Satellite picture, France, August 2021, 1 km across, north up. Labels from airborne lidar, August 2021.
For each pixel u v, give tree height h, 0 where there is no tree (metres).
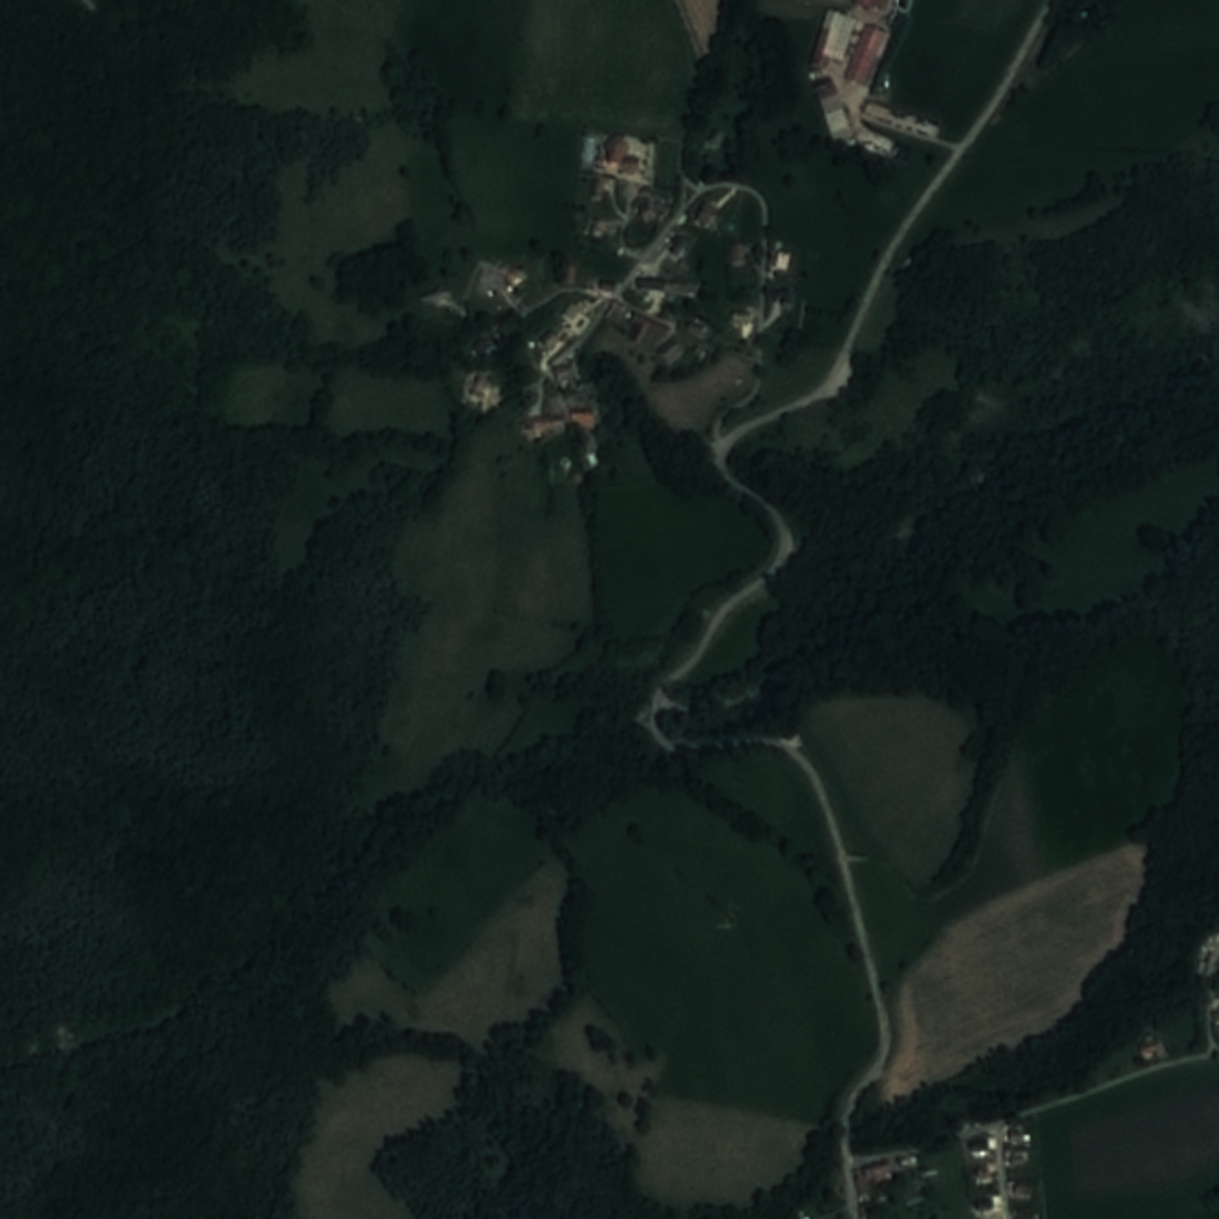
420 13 0
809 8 0
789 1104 0
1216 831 27
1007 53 0
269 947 23
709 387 0
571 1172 17
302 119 12
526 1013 0
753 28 11
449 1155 16
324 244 0
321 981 19
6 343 24
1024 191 0
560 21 0
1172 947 24
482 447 0
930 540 24
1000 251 13
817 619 27
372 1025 25
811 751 0
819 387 0
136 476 12
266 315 7
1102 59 0
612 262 0
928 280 16
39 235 16
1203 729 21
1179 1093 0
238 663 12
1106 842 0
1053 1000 0
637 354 5
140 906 16
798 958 0
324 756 17
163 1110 19
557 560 0
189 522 13
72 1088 13
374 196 0
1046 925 0
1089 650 16
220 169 13
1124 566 0
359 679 12
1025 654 26
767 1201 19
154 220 19
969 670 26
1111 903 0
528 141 0
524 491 0
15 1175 10
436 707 0
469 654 0
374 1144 0
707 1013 0
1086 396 7
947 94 0
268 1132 13
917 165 0
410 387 0
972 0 0
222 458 11
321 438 15
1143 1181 0
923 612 21
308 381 0
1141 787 0
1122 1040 18
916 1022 0
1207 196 10
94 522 10
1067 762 0
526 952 0
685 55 0
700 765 13
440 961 0
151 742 15
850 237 0
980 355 16
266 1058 19
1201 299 12
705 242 0
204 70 13
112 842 13
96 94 18
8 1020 13
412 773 0
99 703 14
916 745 0
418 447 13
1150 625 16
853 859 0
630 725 20
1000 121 0
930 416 14
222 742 14
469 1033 0
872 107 0
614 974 0
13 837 27
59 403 16
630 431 11
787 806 0
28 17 22
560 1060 0
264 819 27
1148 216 11
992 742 17
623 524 0
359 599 10
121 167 11
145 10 21
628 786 18
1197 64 0
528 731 0
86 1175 21
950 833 0
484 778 20
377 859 24
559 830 8
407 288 18
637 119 0
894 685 20
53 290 14
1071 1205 0
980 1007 0
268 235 11
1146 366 19
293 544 0
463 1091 15
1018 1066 21
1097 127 0
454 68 0
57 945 17
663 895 0
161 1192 11
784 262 0
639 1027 0
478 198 0
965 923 0
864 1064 0
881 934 0
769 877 0
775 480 29
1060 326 10
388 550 13
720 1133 0
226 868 23
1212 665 13
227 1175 15
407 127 8
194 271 12
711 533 0
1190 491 0
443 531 0
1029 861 0
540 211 0
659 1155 0
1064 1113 0
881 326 0
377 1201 0
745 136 19
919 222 0
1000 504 9
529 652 0
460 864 0
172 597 11
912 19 0
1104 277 13
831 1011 0
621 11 0
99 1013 13
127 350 16
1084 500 23
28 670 16
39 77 20
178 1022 15
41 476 18
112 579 10
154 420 18
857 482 19
